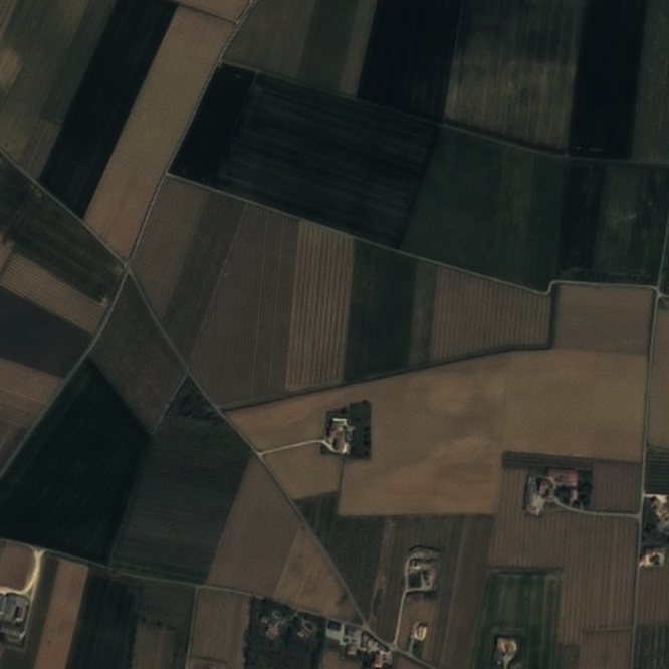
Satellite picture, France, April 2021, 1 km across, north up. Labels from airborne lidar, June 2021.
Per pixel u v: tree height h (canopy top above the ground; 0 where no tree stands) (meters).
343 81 0
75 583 0
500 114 0
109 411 0
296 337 0
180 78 0
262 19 0
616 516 0
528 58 0
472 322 0
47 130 0
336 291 0
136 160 0
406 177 0
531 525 0
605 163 0
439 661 0
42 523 0
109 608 0
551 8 0
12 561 0
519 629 0
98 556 0
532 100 0
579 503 7
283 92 0
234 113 0
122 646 0
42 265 0
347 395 0
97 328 0
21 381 0
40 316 0
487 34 0
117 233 0
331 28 0
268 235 0
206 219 0
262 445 0
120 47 0
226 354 0
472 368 0
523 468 0
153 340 0
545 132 0
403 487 0
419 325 0
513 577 0
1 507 0
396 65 0
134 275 0
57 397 0
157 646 0
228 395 0
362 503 0
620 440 0
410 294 0
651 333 0
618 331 0
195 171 0
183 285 0
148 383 0
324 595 0
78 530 0
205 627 0
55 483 0
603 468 0
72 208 0
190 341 0
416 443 0
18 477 0
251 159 0
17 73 0
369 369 0
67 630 0
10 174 0
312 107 0
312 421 0
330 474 0
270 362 0
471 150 0
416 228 0
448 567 0
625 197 0
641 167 0
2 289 0
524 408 0
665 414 0
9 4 0
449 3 0
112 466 0
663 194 0
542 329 0
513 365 0
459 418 0
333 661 0
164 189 0
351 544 0
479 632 0
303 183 0
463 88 0
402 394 0
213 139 0
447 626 0
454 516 0
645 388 0
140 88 0
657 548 0
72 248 0
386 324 0
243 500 0
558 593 0
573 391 0
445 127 0
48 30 0
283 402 0
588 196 0
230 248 0
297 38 0
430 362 0
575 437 0
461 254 0
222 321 0
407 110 0
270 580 0
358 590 0
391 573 0
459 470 0
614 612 0
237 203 0
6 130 0
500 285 0
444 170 0
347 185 0
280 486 0
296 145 0
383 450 0
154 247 0
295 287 0
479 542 0
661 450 0
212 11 0
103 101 0
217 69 0
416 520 0
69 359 0
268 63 0
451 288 0
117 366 0
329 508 0
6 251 0
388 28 0
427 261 0
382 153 0
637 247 0
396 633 0
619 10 0
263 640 7
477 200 0
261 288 0
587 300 0
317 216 0
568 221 0
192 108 0
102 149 0
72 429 0
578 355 0
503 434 0
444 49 0
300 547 0
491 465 0
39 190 0
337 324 0
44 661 0
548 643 0
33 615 0
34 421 0
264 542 0
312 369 0
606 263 0
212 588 0
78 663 0
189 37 0
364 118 0
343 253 0
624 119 0
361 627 0
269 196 0
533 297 0
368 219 0
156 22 0
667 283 0
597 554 0
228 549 0
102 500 0
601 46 0
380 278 0
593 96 0
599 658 0
